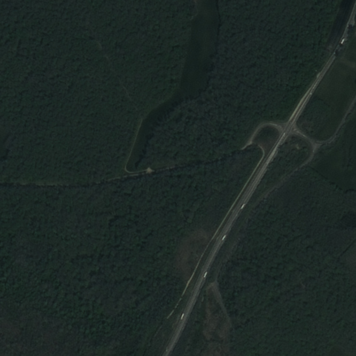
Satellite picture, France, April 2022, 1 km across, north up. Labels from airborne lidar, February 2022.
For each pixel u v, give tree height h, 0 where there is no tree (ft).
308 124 0
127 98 70
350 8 0
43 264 59
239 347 88
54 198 80
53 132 77
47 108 72
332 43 0
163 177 86
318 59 76
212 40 0
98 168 91
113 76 73
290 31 74
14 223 86
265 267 109
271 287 92
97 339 71
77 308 50
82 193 79
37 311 61
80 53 77
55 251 82
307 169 42
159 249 88
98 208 89
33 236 88
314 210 33
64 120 72
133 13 83
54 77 83
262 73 73
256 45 76
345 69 0
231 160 88
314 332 86
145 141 0
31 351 49
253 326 90
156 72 70
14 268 50
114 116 75
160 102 82
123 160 85
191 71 0
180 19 90
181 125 95
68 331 52
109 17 76
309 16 92
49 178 69
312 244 87
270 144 0
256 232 91
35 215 92
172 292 78
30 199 98
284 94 82
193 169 68
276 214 76
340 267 85
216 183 85
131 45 78
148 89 83
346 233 54
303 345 95
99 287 95
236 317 101
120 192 67
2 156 0
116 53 73
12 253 67
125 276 90
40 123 73
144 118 73
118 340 41
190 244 0
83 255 107
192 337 54
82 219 84
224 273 52
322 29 88
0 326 45
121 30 73
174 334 0
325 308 91
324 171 0
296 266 100
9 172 77
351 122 0
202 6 0
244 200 0
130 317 45
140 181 66
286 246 99
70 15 67
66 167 72
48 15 78
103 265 109
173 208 101
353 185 0
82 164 66
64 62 93
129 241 95
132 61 69
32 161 85
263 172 0
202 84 0
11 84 73
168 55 75
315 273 87
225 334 0
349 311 98
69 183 67
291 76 87
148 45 82
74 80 69
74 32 78
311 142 0
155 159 87
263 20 67
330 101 0
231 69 89
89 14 63
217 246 0
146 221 82
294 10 88
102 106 65
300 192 54
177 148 96
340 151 0
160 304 76
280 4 70
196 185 82
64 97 76
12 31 84
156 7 96
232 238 57
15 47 83
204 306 28
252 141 0
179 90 0
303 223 51
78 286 92
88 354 67
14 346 59
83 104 75
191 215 103
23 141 81
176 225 89
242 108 65
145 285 67
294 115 0
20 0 84
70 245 102
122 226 79
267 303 77
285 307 76
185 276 0
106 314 67
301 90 54
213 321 0
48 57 72
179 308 26
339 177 0
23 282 59
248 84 68
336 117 0
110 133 70
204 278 0
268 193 0
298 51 84
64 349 45
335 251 41
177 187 81
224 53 91
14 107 79
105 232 92
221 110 73
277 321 91
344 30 0
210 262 0
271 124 0
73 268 83
